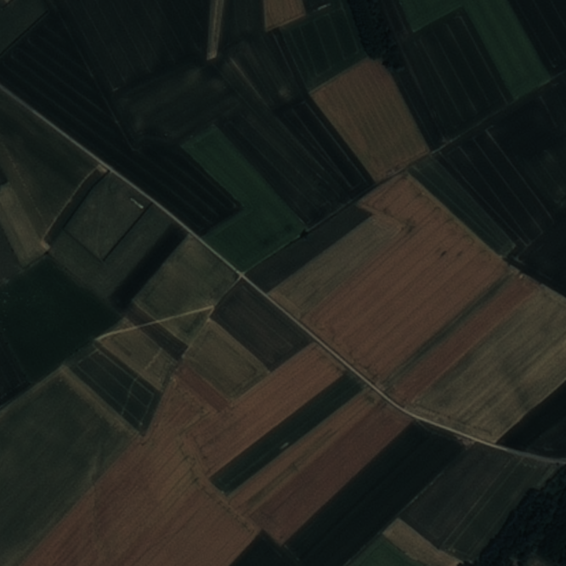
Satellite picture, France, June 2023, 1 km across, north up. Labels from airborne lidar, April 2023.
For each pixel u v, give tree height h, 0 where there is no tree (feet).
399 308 0
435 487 0
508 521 31
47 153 0
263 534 0
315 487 0
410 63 0
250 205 0
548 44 0
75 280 0
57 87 0
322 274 0
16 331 0
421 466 0
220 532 0
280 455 0
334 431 0
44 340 0
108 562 0
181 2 0
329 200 0
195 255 0
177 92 0
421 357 0
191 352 0
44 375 0
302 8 0
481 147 0
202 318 0
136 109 0
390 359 0
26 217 0
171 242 0
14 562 0
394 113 0
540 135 0
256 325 0
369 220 0
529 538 58
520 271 0
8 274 0
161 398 0
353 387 0
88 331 0
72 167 0
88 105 0
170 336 0
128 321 0
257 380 0
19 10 0
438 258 0
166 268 0
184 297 0
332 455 0
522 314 0
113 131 0
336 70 0
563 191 0
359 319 0
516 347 0
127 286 0
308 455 0
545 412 0
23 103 0
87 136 0
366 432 0
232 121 0
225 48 0
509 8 0
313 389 0
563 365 0
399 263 0
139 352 0
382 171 0
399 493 0
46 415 0
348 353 0
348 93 0
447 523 0
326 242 0
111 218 0
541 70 0
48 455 0
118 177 0
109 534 0
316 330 0
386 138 0
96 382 0
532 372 0
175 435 0
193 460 0
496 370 0
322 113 0
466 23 0
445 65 0
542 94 0
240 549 0
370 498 0
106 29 0
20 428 0
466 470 0
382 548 0
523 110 0
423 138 0
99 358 0
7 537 0
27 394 0
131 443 0
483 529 0
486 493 0
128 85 0
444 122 0
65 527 0
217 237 0
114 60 0
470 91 0
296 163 0
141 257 0
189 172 0
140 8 0
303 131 0
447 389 0
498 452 0
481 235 0
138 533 0
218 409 0
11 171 0
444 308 0
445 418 0
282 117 0
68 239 0
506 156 0
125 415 0
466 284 0
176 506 0
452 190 0
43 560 0
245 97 0
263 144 0
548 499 44
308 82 0
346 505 0
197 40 0
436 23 0
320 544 0
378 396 0
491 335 0
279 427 0
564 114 0
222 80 0
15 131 0
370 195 0
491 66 0
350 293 0
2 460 0
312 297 0
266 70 0
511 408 0
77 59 0
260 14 0
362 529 0
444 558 0
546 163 0
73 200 0
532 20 0
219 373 0
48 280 0
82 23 0
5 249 0
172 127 0
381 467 0
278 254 0
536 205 0
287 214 0
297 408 0
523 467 0
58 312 0
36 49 0
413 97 0
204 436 0
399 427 0
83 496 0
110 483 0
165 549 0
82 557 0
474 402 0
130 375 0
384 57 23
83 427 0
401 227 0
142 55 0
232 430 0
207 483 0
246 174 0
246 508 0
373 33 81
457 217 0
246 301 0
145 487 0
